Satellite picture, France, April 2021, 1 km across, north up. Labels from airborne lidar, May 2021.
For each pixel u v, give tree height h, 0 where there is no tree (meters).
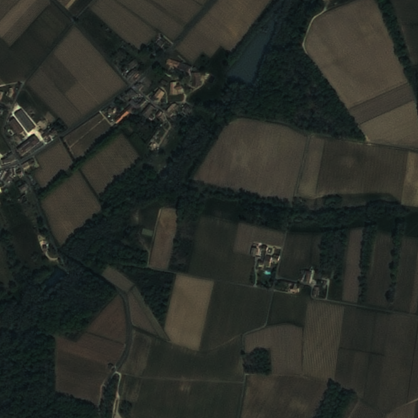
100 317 0
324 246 10
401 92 0
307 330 0
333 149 0
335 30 0
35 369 21
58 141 0
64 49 0
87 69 0
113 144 0
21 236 0
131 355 0
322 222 20
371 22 0
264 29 9
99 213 0
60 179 15
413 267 0
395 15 7
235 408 0
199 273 0
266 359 16
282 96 25
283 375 0
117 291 18
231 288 0
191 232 0
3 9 0
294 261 0
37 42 0
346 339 0
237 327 0
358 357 0
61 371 0
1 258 0
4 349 20
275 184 0
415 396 0
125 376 0
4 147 0
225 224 0
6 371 25
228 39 0
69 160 0
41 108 0
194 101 0
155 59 11
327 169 0
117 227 24
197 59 0
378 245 0
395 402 0
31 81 0
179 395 0
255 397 0
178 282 0
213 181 0
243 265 0
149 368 0
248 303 0
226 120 12
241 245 0
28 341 22
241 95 22
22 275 12
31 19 0
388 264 0
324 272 7
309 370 0
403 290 0
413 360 0
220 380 0
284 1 13
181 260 0
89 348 0
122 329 0
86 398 0
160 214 0
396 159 0
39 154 0
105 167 0
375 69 0
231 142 0
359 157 0
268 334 0
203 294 0
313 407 0
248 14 0
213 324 0
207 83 0
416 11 0
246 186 0
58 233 0
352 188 0
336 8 0
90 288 19
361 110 0
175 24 0
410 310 0
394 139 0
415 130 0
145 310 0
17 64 0
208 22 0
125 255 11
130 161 0
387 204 11
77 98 0
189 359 0
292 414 0
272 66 18
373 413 0
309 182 0
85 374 0
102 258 23
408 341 0
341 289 0
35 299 25
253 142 0
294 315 0
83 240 19
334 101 18
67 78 0
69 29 0
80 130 0
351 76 0
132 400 0
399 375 0
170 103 8
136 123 15
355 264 0
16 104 0
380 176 0
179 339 0
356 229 0
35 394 18
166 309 15
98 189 0
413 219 0
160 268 0
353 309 0
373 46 0
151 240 0
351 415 0
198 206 16
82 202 0
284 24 12
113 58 7
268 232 0
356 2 0
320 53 0
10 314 25
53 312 20
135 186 16
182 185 18
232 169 0
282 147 0
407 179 0
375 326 0
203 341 0
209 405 0
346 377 0
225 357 0
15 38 0
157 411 0
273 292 0
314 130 16
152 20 0
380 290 0
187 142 27
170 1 0
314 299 0
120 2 0
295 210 8
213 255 0
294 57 17
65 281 22
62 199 0
